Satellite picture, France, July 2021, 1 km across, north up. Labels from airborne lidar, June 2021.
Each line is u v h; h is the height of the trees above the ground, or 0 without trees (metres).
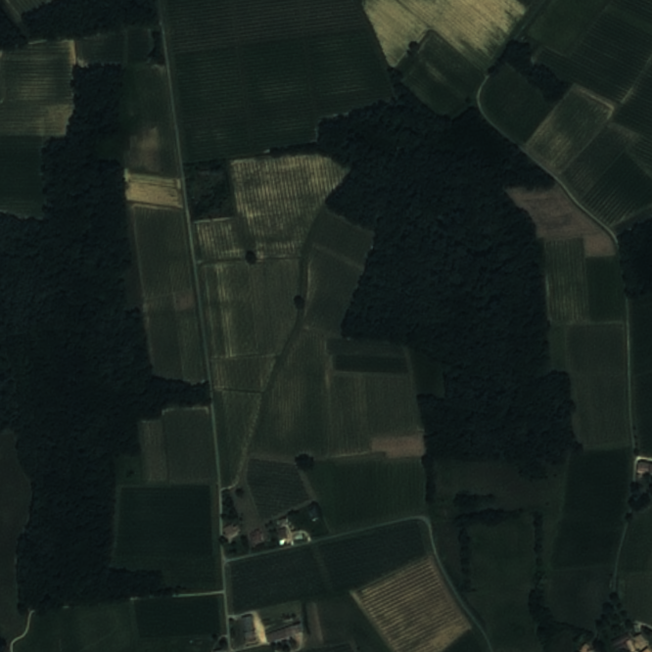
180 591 11
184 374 0
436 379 0
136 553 0
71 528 21
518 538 0
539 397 27
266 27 0
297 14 0
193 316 0
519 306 28
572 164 0
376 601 0
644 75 0
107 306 26
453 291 19
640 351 0
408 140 17
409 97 10
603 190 0
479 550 0
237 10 0
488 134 12
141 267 0
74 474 23
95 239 24
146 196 0
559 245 0
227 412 0
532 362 26
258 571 0
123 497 0
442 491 0
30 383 11
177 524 0
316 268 0
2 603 0
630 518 11
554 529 0
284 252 0
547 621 6
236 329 0
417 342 15
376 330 20
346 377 0
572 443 26
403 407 0
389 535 0
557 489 0
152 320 0
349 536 0
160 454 0
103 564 14
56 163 15
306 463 19
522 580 0
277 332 0
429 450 7
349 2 0
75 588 23
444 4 0
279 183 0
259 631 0
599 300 0
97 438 24
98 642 0
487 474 0
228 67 0
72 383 24
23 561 16
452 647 0
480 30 0
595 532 0
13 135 0
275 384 0
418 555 0
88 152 16
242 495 7
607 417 0
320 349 0
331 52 0
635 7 0
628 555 0
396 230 20
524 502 0
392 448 0
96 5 20
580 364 0
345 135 26
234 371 0
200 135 0
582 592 0
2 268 16
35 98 0
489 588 0
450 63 0
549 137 0
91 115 19
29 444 14
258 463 0
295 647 6
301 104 0
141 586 17
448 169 23
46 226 20
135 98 0
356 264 0
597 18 0
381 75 0
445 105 0
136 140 0
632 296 13
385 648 0
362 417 0
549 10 0
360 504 0
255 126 0
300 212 0
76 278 30
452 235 19
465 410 7
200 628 0
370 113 16
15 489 0
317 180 0
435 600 0
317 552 0
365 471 0
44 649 0
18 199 0
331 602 0
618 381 0
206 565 0
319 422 0
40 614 19
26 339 12
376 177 16
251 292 0
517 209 16
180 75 0
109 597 15
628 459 0
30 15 15
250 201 0
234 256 0
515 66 14
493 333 22
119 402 17
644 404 0
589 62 0
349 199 22
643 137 0
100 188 28
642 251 14
